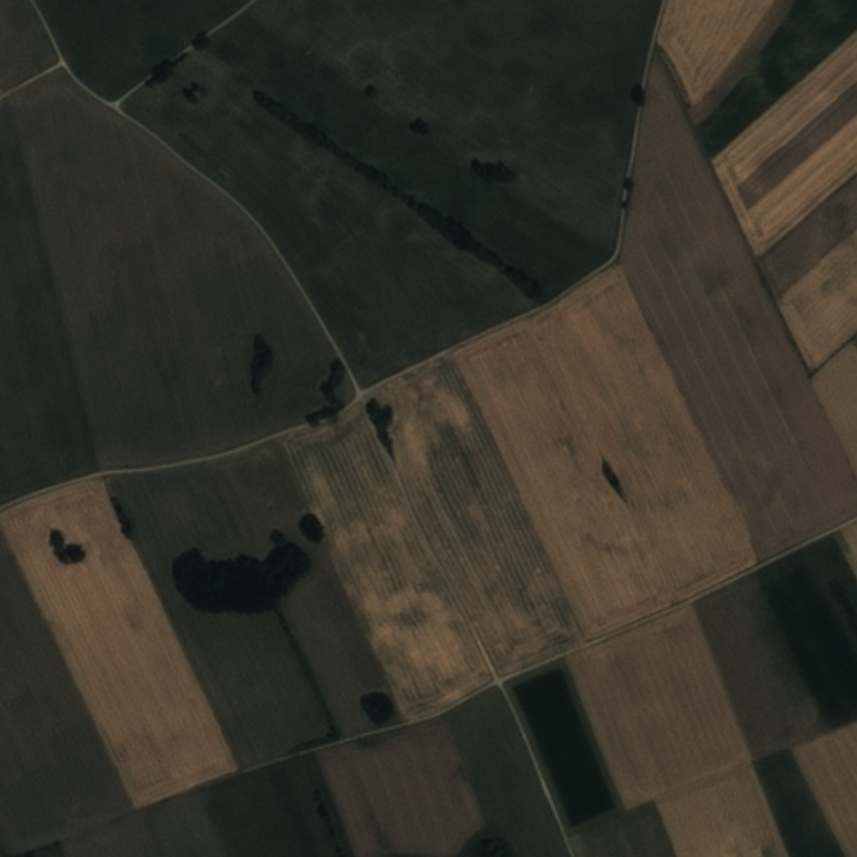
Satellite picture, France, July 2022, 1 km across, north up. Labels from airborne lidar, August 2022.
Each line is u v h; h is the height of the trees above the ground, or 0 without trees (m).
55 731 0
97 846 0
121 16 0
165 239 0
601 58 0
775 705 0
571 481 0
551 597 0
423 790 0
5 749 0
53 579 0
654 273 0
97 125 0
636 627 0
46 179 0
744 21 0
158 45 0
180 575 17
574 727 0
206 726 0
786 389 0
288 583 15
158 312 0
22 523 0
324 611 0
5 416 0
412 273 0
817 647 0
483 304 0
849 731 0
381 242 0
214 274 0
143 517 0
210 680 0
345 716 0
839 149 0
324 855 0
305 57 0
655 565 0
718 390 0
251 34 0
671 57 0
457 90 0
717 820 0
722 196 0
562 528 0
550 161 0
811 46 0
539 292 14
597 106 0
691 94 0
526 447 0
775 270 0
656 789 0
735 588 0
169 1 0
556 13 0
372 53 0
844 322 0
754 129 0
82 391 0
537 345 0
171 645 0
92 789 0
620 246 0
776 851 0
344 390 0
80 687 0
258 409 0
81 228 0
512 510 0
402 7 0
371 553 0
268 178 0
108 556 0
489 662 0
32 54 0
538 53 0
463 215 0
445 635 0
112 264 0
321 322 0
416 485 0
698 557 0
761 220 0
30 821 0
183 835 0
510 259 0
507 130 0
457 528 0
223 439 0
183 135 0
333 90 0
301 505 0
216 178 0
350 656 0
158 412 0
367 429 0
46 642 0
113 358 0
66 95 0
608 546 0
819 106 0
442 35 0
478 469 0
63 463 0
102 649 0
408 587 0
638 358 0
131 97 0
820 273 0
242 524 0
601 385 0
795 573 0
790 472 0
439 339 0
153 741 0
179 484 0
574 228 0
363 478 0
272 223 0
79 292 0
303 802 0
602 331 0
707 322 0
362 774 0
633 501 0
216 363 0
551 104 0
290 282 0
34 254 0
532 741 0
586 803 0
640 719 0
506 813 0
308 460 0
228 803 0
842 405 0
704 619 0
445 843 0
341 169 0
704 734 0
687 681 0
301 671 0
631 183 11
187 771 0
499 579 0
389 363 0
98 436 0
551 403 0
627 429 0
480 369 0
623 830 0
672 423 0
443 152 0
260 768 0
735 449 0
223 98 0
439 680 0
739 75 0
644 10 0
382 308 0
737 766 0
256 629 0
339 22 0
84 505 0
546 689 0
